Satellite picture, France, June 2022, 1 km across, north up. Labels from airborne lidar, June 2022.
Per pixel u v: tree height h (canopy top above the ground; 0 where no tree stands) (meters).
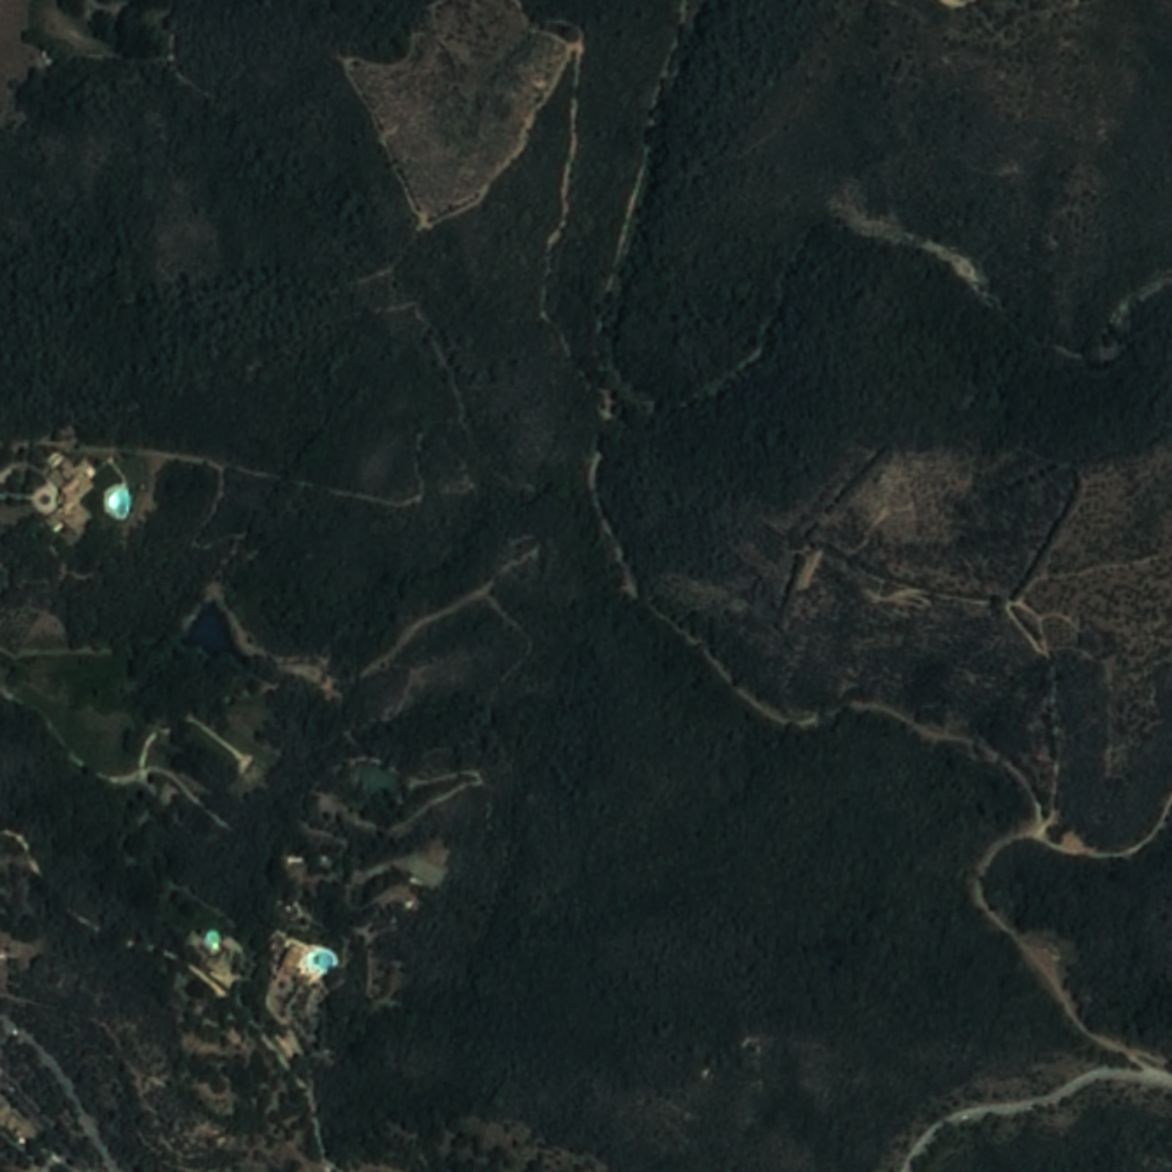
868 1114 8
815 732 6
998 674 9
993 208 8
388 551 8
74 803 10
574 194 6
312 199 11
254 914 14
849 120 6
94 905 15
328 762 9
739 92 8
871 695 17
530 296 8
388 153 7
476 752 6
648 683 10
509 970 8
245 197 8
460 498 6
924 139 8
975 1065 5
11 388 14
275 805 11
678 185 11
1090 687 6
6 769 9
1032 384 24
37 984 8
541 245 7
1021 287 8
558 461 7
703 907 7
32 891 9
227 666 18
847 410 10
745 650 10
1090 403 17
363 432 8
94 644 11
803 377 11
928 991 7
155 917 9
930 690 6
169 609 10
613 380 13
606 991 8
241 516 10
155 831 14
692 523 8
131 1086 8
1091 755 7
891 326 9
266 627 10
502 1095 7
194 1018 13
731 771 14
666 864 5
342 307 7
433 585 13
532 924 7
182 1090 7
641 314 10
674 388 12
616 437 19
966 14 7
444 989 10
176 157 6
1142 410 6
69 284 16
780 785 6
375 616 12
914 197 8
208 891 13
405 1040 8
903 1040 5
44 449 9
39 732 8
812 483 7
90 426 14
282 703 10
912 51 9
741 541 8
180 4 10
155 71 8
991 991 10
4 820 13
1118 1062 8
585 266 9
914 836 7
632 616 13
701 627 9
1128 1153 9
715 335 14
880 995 8
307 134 8
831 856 7
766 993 10
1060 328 6
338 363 22
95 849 13
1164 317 6
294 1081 10
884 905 9
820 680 8
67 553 12
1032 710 9
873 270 14
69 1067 10
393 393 6
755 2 9
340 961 10
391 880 8
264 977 11
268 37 6
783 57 8
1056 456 9
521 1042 6
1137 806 7
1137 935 9
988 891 8
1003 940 11
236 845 9
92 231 12
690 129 9
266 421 6
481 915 7
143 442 7
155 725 11
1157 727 8
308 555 9
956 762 15
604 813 6
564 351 11
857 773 5
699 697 14
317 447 13
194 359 11
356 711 8
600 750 5
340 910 10
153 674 14
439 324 8
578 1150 7
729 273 12
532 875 7
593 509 16
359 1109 8
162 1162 6
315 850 9
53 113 7
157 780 14
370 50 11
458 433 8
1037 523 7
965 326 10
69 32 0
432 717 8
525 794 7
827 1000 9
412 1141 6
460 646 7
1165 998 6
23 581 9
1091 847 8
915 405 11
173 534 8
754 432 10
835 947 16
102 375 10
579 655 7
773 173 10
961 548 8
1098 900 8
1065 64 6
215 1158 8
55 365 13
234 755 0
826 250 6
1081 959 7
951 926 7
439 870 0
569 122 8
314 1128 7
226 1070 11
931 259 12
